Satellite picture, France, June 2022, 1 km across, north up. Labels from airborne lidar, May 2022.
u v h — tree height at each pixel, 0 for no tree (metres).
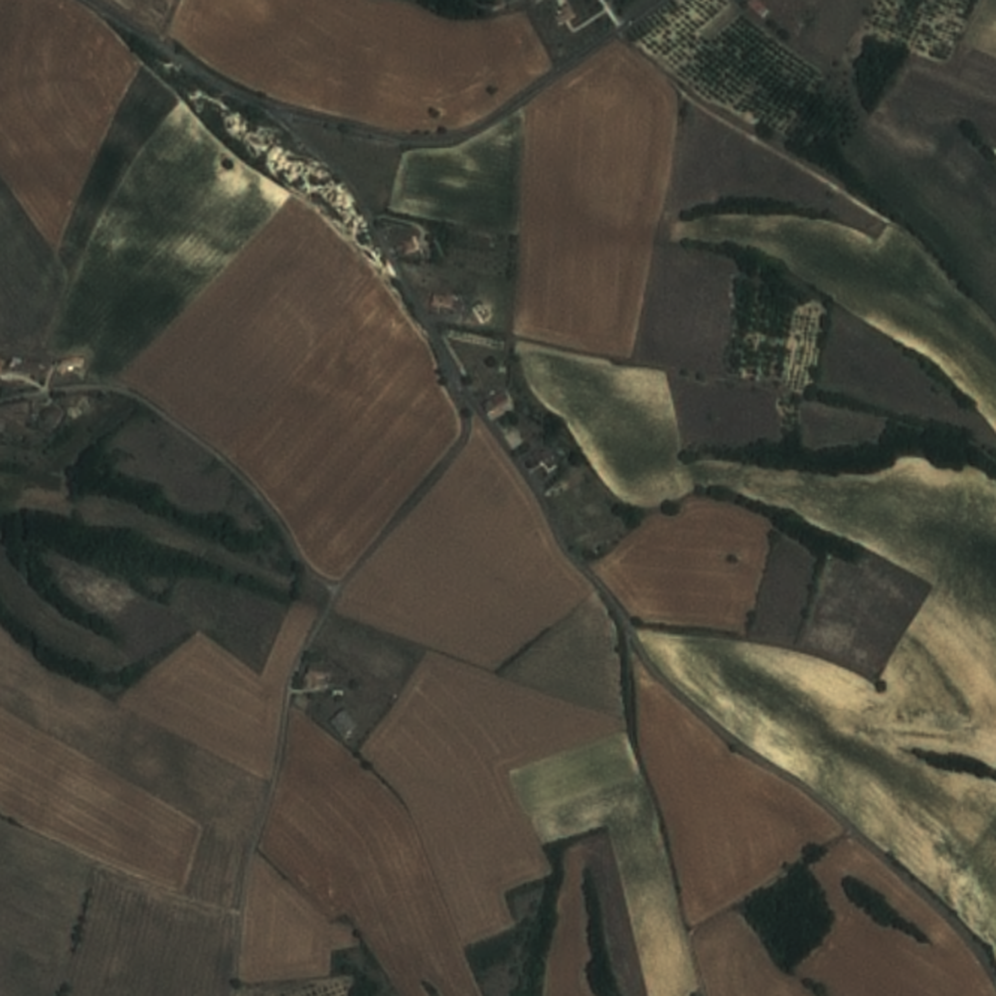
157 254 0
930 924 0
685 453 12
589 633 0
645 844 0
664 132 0
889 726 0
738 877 0
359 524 0
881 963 0
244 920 0
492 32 0
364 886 0
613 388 0
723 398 0
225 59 0
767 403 0
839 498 0
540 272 0
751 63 7
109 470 8
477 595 0
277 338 0
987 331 0
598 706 0
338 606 0
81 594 0
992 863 0
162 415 0
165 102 0
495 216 0
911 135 0
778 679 0
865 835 0
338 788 0
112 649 0
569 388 0
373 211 0
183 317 0
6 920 0
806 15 5
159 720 0
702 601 0
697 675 0
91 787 0
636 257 0
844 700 0
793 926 12
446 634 0
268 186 0
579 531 0
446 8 12
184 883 0
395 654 0
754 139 0
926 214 0
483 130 0
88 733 0
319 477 0
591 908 10
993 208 0
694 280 0
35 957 0
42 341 0
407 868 0
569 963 0
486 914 0
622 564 0
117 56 0
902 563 0
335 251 0
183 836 0
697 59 8
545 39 0
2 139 0
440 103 0
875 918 13
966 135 7
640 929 0
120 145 0
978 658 0
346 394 0
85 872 0
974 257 0
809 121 9
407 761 0
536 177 0
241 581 10
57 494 0
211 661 0
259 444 0
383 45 0
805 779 0
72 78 0
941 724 0
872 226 0
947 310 0
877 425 0
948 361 0
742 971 0
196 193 0
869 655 0
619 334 0
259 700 0
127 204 0
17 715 0
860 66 13
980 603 0
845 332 0
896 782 0
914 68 0
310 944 0
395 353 0
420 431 0
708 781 0
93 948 0
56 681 0
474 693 0
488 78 0
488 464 0
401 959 0
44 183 0
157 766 0
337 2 0
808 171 0
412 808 0
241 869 0
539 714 0
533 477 0
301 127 0
